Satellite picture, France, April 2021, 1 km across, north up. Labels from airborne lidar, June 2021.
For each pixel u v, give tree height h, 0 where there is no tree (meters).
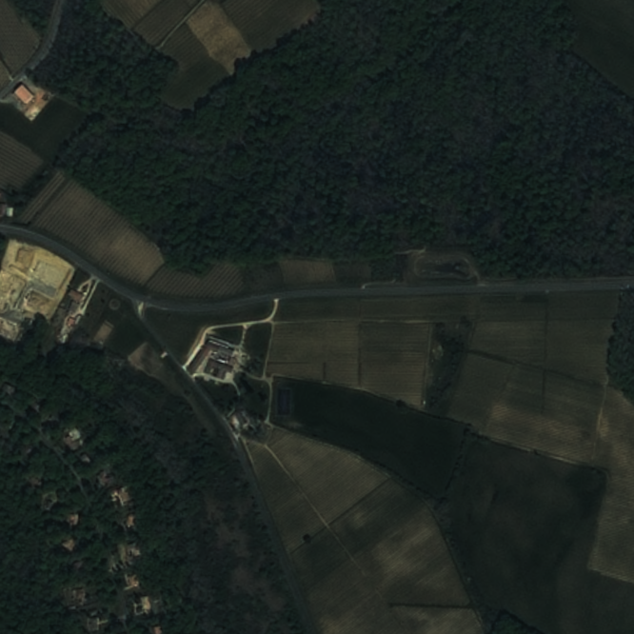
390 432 0
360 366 0
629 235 7
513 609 0
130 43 22
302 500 0
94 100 12
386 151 16
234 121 21
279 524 0
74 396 21
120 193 20
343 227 20
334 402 0
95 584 12
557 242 8
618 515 0
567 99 15
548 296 0
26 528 14
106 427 23
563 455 0
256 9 0
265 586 0
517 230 21
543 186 16
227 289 0
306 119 15
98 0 15
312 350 0
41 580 16
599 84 18
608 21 0
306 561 0
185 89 0
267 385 0
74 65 15
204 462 13
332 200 17
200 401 0
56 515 16
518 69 21
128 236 0
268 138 18
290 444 0
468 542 0
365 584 0
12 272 0
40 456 18
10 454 18
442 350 0
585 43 0
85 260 0
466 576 11
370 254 15
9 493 15
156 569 24
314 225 17
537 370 0
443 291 0
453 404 0
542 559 0
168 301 0
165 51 0
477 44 21
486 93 24
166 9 0
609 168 21
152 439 19
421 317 0
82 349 18
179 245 13
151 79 17
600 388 0
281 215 12
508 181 23
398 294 0
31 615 18
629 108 20
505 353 0
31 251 0
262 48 0
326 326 0
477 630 0
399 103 15
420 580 0
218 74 0
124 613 0
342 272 0
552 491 0
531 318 0
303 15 0
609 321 0
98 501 11
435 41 27
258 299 0
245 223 13
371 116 14
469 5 18
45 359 15
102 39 14
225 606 6
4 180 0
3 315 0
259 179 21
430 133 16
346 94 24
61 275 0
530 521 0
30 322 0
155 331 0
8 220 12
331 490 0
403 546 0
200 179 17
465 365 0
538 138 23
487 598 0
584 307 0
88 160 20
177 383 0
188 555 8
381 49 17
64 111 0
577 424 0
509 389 0
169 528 13
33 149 0
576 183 16
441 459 0
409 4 18
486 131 10
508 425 0
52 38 0
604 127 27
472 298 0
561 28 14
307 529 0
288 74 22
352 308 0
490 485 0
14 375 17
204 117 18
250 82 23
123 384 7
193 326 0
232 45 0
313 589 0
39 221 0
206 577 17
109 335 0
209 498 0
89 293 0
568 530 0
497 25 23
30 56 0
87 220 0
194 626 23
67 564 18
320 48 7
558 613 0
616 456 0
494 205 13
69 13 12
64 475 20
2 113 0
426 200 18
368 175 10
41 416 11
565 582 0
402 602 0
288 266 0
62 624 18
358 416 0
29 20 15
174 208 22
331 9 16
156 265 0
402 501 0
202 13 0
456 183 24
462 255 0
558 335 0
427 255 0
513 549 0
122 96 21
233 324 0
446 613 0
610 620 0
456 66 31
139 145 15
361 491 0
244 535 0
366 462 0
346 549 0
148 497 19
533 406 0
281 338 0
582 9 0
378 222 17
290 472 0
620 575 0
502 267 16
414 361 0
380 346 0
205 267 16
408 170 22
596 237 9
